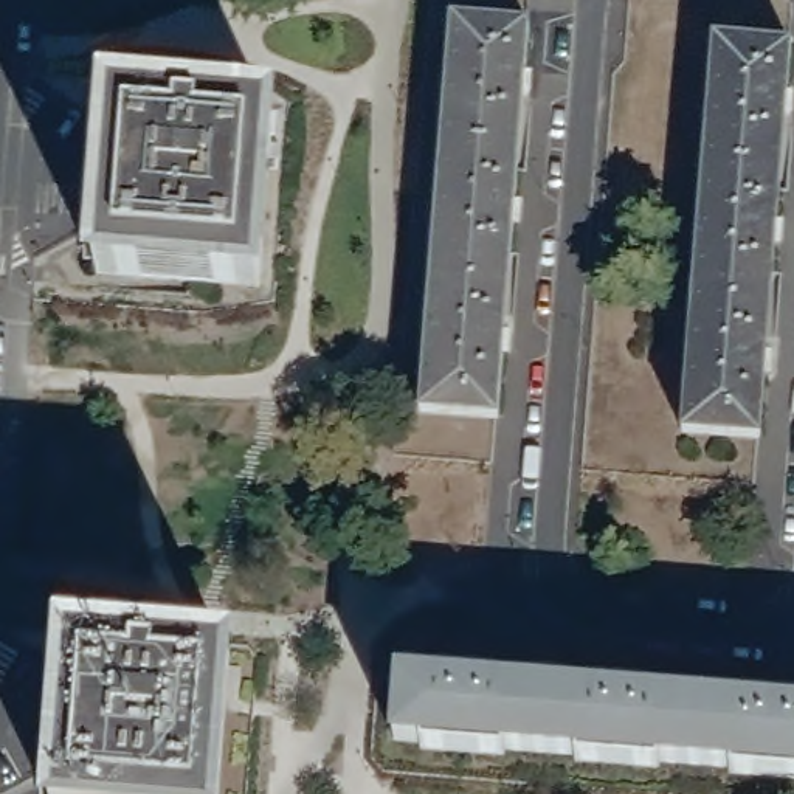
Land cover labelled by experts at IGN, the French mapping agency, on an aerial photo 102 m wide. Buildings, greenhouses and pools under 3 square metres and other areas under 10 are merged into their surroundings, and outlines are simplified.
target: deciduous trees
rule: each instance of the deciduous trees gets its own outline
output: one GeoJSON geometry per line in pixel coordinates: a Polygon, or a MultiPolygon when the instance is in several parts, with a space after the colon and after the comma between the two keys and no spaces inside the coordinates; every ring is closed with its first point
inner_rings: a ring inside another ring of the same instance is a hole
{"type": "Polygon", "coordinates": [[[605,267],[596,270],[596,276],[589,279],[592,307],[630,307],[633,313],[651,310],[670,301],[676,273],[670,236],[679,230],[679,217],[673,208],[664,205],[661,192],[648,189],[645,199],[623,202],[623,214],[617,217],[617,223],[627,226],[623,248],[605,267]]]}
{"type": "Polygon", "coordinates": [[[602,530],[592,558],[596,568],[605,574],[623,574],[658,561],[645,533],[617,518],[611,518],[611,524],[602,530]]]}
{"type": "Polygon", "coordinates": [[[307,788],[304,788],[304,791],[301,791],[301,794],[341,794],[341,791],[338,791],[338,785],[335,785],[335,775],[332,775],[332,772],[323,772],[323,769],[316,769],[313,775],[316,775],[316,778],[310,782],[310,785],[307,785],[307,788]]]}
{"type": "Polygon", "coordinates": [[[710,555],[707,564],[751,568],[763,552],[769,533],[766,509],[763,502],[754,502],[757,490],[751,481],[723,471],[720,484],[713,487],[720,499],[701,518],[689,521],[692,540],[710,555]]]}
{"type": "Polygon", "coordinates": [[[319,670],[332,667],[341,658],[338,642],[326,623],[313,620],[298,633],[292,645],[298,664],[319,670]]]}
{"type": "Polygon", "coordinates": [[[388,478],[372,468],[378,459],[378,447],[394,447],[406,440],[413,419],[419,413],[419,394],[409,388],[406,375],[388,366],[366,372],[335,372],[332,385],[316,391],[307,416],[298,416],[295,425],[301,431],[298,444],[273,440],[261,453],[261,462],[254,468],[251,487],[257,496],[251,496],[248,502],[248,524],[261,527],[261,533],[251,543],[248,564],[233,568],[223,577],[223,608],[230,611],[282,614],[301,586],[326,589],[329,564],[338,555],[350,558],[354,571],[388,574],[409,561],[409,546],[416,543],[406,530],[403,515],[416,509],[416,496],[394,502],[394,487],[388,487],[388,478]]]}
{"type": "Polygon", "coordinates": [[[99,388],[96,400],[90,403],[90,422],[121,425],[124,409],[115,391],[99,388]]]}
{"type": "Polygon", "coordinates": [[[552,788],[558,785],[549,775],[530,775],[524,785],[509,788],[502,794],[552,794],[552,788]]]}

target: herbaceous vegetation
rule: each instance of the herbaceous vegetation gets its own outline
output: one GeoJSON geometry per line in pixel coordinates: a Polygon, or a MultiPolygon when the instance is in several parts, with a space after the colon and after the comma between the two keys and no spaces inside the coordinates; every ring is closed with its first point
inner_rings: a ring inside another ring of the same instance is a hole
{"type": "Polygon", "coordinates": [[[50,366],[50,338],[31,329],[28,357],[37,366],[50,366]]]}
{"type": "Polygon", "coordinates": [[[388,478],[388,487],[394,487],[394,502],[416,496],[416,509],[403,515],[406,530],[416,543],[481,546],[487,540],[499,419],[419,413],[413,419],[406,440],[394,447],[378,447],[378,459],[372,468],[388,478]]]}
{"type": "Polygon", "coordinates": [[[223,310],[236,310],[239,304],[267,304],[276,298],[273,261],[261,261],[261,276],[254,288],[242,288],[233,279],[217,282],[223,288],[223,310]]]}
{"type": "Polygon", "coordinates": [[[679,406],[682,372],[707,31],[710,25],[782,28],[782,40],[791,43],[794,40],[794,0],[630,0],[623,59],[611,78],[611,155],[602,161],[599,171],[599,202],[592,205],[586,220],[574,223],[568,236],[568,248],[571,254],[577,254],[577,267],[586,273],[596,270],[605,267],[623,248],[627,226],[617,223],[617,217],[623,214],[623,202],[645,199],[648,189],[661,192],[664,205],[673,208],[679,217],[679,230],[670,236],[676,273],[670,301],[651,310],[654,332],[648,360],[630,354],[630,338],[636,332],[633,313],[630,307],[592,307],[583,475],[580,493],[574,499],[574,518],[580,521],[580,530],[586,537],[580,555],[592,558],[602,530],[611,524],[611,518],[617,518],[645,533],[658,561],[707,564],[710,555],[692,540],[689,521],[701,518],[720,499],[713,487],[720,484],[723,471],[751,481],[757,478],[760,440],[682,434],[682,419],[673,416],[673,406],[679,406]]]}
{"type": "Polygon", "coordinates": [[[242,701],[270,701],[288,710],[288,692],[295,692],[295,685],[316,692],[323,698],[329,689],[332,667],[319,670],[298,664],[298,682],[273,667],[264,695],[257,698],[251,692],[248,673],[257,654],[257,639],[248,636],[245,645],[230,642],[226,658],[226,664],[233,664],[242,673],[239,689],[233,689],[230,695],[239,695],[242,701]]]}
{"type": "Polygon", "coordinates": [[[369,62],[375,50],[372,31],[354,16],[332,12],[276,22],[264,31],[267,50],[282,59],[332,74],[360,68],[363,62],[369,62]]]}
{"type": "Polygon", "coordinates": [[[230,794],[267,794],[267,778],[273,769],[270,723],[251,713],[230,716],[226,741],[220,747],[220,782],[230,794]]]}
{"type": "Polygon", "coordinates": [[[388,354],[388,366],[406,375],[409,388],[419,394],[419,335],[447,6],[518,9],[524,0],[413,0],[391,319],[388,335],[378,338],[388,354]]]}
{"type": "Polygon", "coordinates": [[[326,599],[326,589],[301,586],[282,614],[298,633],[313,620],[326,623],[338,642],[347,633],[335,605],[326,599]]]}
{"type": "Polygon", "coordinates": [[[115,316],[62,316],[62,326],[102,335],[102,344],[71,347],[65,354],[65,363],[59,366],[127,375],[242,375],[261,372],[282,350],[285,338],[276,329],[261,329],[257,319],[220,326],[211,313],[199,313],[205,307],[202,298],[186,292],[158,292],[155,304],[118,301],[115,316]]]}
{"type": "Polygon", "coordinates": [[[338,174],[332,183],[319,233],[310,304],[313,344],[323,338],[335,338],[341,332],[366,329],[372,282],[372,112],[366,99],[360,99],[354,105],[354,118],[341,146],[338,174]]]}
{"type": "Polygon", "coordinates": [[[251,543],[261,533],[261,527],[248,524],[248,502],[251,496],[257,496],[251,487],[254,468],[261,462],[261,453],[273,440],[298,444],[301,431],[295,425],[279,425],[273,394],[251,400],[149,394],[143,400],[158,462],[143,478],[152,496],[158,499],[174,540],[180,546],[202,549],[202,558],[211,571],[211,580],[202,586],[199,608],[223,608],[223,577],[233,568],[248,564],[251,543]]]}
{"type": "Polygon", "coordinates": [[[332,136],[332,109],[326,96],[307,90],[307,149],[295,217],[295,236],[301,239],[319,164],[326,158],[332,136]]]}

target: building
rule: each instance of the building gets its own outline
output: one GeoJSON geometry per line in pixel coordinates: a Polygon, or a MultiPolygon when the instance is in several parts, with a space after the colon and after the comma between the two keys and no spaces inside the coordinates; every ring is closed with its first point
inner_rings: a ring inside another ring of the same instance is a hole
{"type": "Polygon", "coordinates": [[[530,143],[530,124],[518,121],[518,93],[524,50],[533,37],[530,22],[518,9],[447,6],[419,335],[419,394],[419,413],[499,419],[499,406],[506,400],[506,378],[496,372],[496,350],[502,335],[506,295],[506,230],[512,208],[512,180],[521,174],[521,149],[530,143]]]}
{"type": "Polygon", "coordinates": [[[409,741],[428,751],[533,751],[564,754],[583,763],[685,763],[720,766],[738,775],[794,778],[794,682],[400,651],[391,658],[388,713],[391,735],[397,741],[409,741]]]}
{"type": "Polygon", "coordinates": [[[782,28],[710,25],[707,31],[682,372],[679,406],[673,406],[673,416],[682,419],[682,434],[760,440],[760,431],[766,428],[763,316],[775,304],[772,279],[782,267],[782,251],[772,242],[772,220],[778,205],[775,158],[782,133],[782,99],[785,87],[791,87],[791,68],[785,68],[785,59],[791,43],[782,40],[782,28]]]}
{"type": "Polygon", "coordinates": [[[226,741],[230,716],[230,695],[233,689],[239,689],[242,673],[233,664],[226,664],[226,658],[223,645],[217,642],[214,623],[223,620],[223,614],[230,611],[223,608],[199,608],[78,596],[50,599],[40,654],[43,695],[37,732],[37,794],[230,794],[220,782],[220,747],[226,741]]]}
{"type": "Polygon", "coordinates": [[[261,261],[273,261],[282,127],[288,112],[285,99],[273,87],[276,74],[273,62],[248,65],[186,56],[143,56],[105,50],[93,53],[93,87],[84,96],[84,199],[90,217],[87,245],[96,245],[93,270],[105,279],[112,279],[115,273],[186,279],[217,282],[233,279],[242,288],[254,288],[261,276],[261,261]]]}

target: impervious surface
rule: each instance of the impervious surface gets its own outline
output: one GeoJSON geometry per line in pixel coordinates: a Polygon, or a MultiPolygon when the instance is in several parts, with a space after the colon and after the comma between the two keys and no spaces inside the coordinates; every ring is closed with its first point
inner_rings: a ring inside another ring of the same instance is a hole
{"type": "Polygon", "coordinates": [[[273,394],[279,425],[295,425],[298,416],[307,416],[316,391],[332,385],[335,372],[366,372],[388,366],[388,354],[378,338],[388,335],[391,319],[413,0],[304,0],[298,6],[270,9],[245,19],[226,0],[0,0],[0,794],[37,794],[37,732],[43,695],[40,654],[50,599],[78,596],[199,608],[202,586],[211,580],[211,571],[202,558],[202,549],[180,546],[174,540],[158,499],[152,496],[143,478],[158,462],[143,400],[149,394],[251,400],[273,394]],[[332,12],[354,16],[372,31],[375,50],[369,62],[363,62],[360,68],[332,74],[282,59],[267,50],[264,31],[276,22],[332,12]],[[326,158],[319,164],[301,239],[295,310],[285,338],[282,350],[261,372],[242,375],[127,375],[59,366],[50,366],[37,366],[28,357],[31,329],[31,323],[43,313],[43,304],[50,304],[50,298],[56,295],[74,301],[118,301],[155,304],[158,292],[186,292],[186,279],[115,273],[112,279],[105,279],[93,270],[96,245],[87,245],[90,217],[84,199],[84,96],[93,87],[93,53],[105,50],[143,56],[186,56],[248,65],[273,62],[276,74],[288,74],[301,81],[307,90],[326,96],[332,109],[332,136],[326,158]],[[332,183],[338,174],[341,146],[354,118],[354,105],[360,99],[366,99],[372,112],[372,282],[366,329],[341,332],[335,338],[323,338],[313,344],[310,304],[319,233],[332,183]],[[96,400],[99,388],[115,391],[124,409],[121,425],[90,422],[90,403],[96,400]]]}
{"type": "Polygon", "coordinates": [[[772,279],[775,304],[763,316],[766,428],[760,431],[760,440],[757,478],[751,481],[757,490],[754,502],[763,502],[766,509],[769,533],[763,552],[751,568],[707,564],[658,561],[623,574],[605,574],[596,568],[592,558],[580,555],[586,537],[580,530],[580,521],[574,518],[574,499],[580,493],[583,475],[592,307],[589,279],[596,276],[596,270],[586,273],[577,267],[577,254],[571,254],[568,248],[568,236],[574,223],[586,220],[592,205],[599,202],[599,171],[602,161],[611,155],[611,78],[623,59],[630,0],[524,0],[518,9],[530,22],[533,37],[524,50],[518,93],[518,121],[530,124],[530,143],[521,149],[521,174],[512,180],[512,208],[506,230],[506,295],[502,335],[496,350],[496,372],[506,378],[506,400],[499,406],[499,419],[487,540],[481,546],[416,543],[409,546],[409,561],[388,574],[354,571],[350,558],[338,555],[329,564],[326,589],[326,599],[335,605],[347,633],[338,642],[341,658],[332,667],[329,689],[323,698],[323,710],[313,729],[295,729],[288,710],[270,701],[242,701],[239,695],[230,695],[230,716],[251,713],[270,723],[273,769],[267,778],[267,794],[301,794],[301,791],[304,791],[304,788],[307,788],[307,785],[310,785],[310,782],[316,778],[316,775],[313,775],[316,769],[323,769],[323,772],[332,772],[332,775],[335,775],[335,785],[338,785],[338,791],[341,791],[341,794],[394,794],[391,785],[375,778],[372,766],[363,757],[369,698],[378,704],[378,713],[388,713],[391,658],[400,651],[794,682],[794,40],[791,43],[785,59],[785,68],[791,68],[791,87],[785,87],[782,99],[782,133],[775,158],[778,205],[772,220],[772,242],[782,251],[782,267],[772,279]]]}
{"type": "Polygon", "coordinates": [[[298,682],[298,664],[292,645],[298,633],[282,614],[230,611],[223,614],[223,620],[214,623],[217,642],[223,645],[226,658],[230,642],[245,645],[248,636],[257,639],[276,639],[279,658],[273,667],[298,682]]]}

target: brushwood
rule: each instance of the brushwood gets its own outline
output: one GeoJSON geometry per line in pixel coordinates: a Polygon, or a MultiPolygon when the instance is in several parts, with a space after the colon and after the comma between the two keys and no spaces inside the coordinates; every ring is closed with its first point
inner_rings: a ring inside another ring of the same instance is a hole
{"type": "Polygon", "coordinates": [[[298,6],[304,0],[226,0],[245,19],[270,9],[298,6]]]}
{"type": "Polygon", "coordinates": [[[391,785],[394,794],[502,794],[509,788],[524,785],[530,775],[549,775],[558,785],[552,788],[552,794],[794,794],[794,778],[738,775],[720,766],[685,763],[583,763],[564,754],[533,751],[428,751],[409,741],[397,741],[391,735],[388,713],[378,713],[378,704],[369,698],[363,757],[372,766],[375,778],[391,785]]]}
{"type": "Polygon", "coordinates": [[[288,692],[288,710],[295,729],[313,729],[323,710],[323,698],[316,692],[295,685],[295,692],[288,692]]]}
{"type": "Polygon", "coordinates": [[[282,127],[273,261],[276,298],[267,304],[239,304],[236,310],[223,310],[223,288],[217,282],[186,279],[186,292],[202,298],[205,307],[199,313],[211,313],[220,326],[257,319],[261,329],[276,329],[285,338],[295,310],[301,239],[295,236],[295,217],[307,149],[307,90],[301,81],[288,74],[276,74],[273,87],[285,99],[288,112],[282,127]]]}
{"type": "Polygon", "coordinates": [[[102,344],[102,335],[62,326],[62,316],[115,316],[118,301],[74,301],[56,295],[50,298],[50,304],[43,304],[43,313],[31,323],[31,329],[50,338],[50,366],[59,366],[65,363],[65,354],[71,347],[102,344]]]}
{"type": "Polygon", "coordinates": [[[257,639],[257,654],[248,673],[251,692],[257,698],[264,695],[273,667],[279,658],[276,639],[257,639]]]}
{"type": "Polygon", "coordinates": [[[630,354],[648,360],[654,332],[651,310],[633,313],[636,332],[630,338],[630,354]]]}

